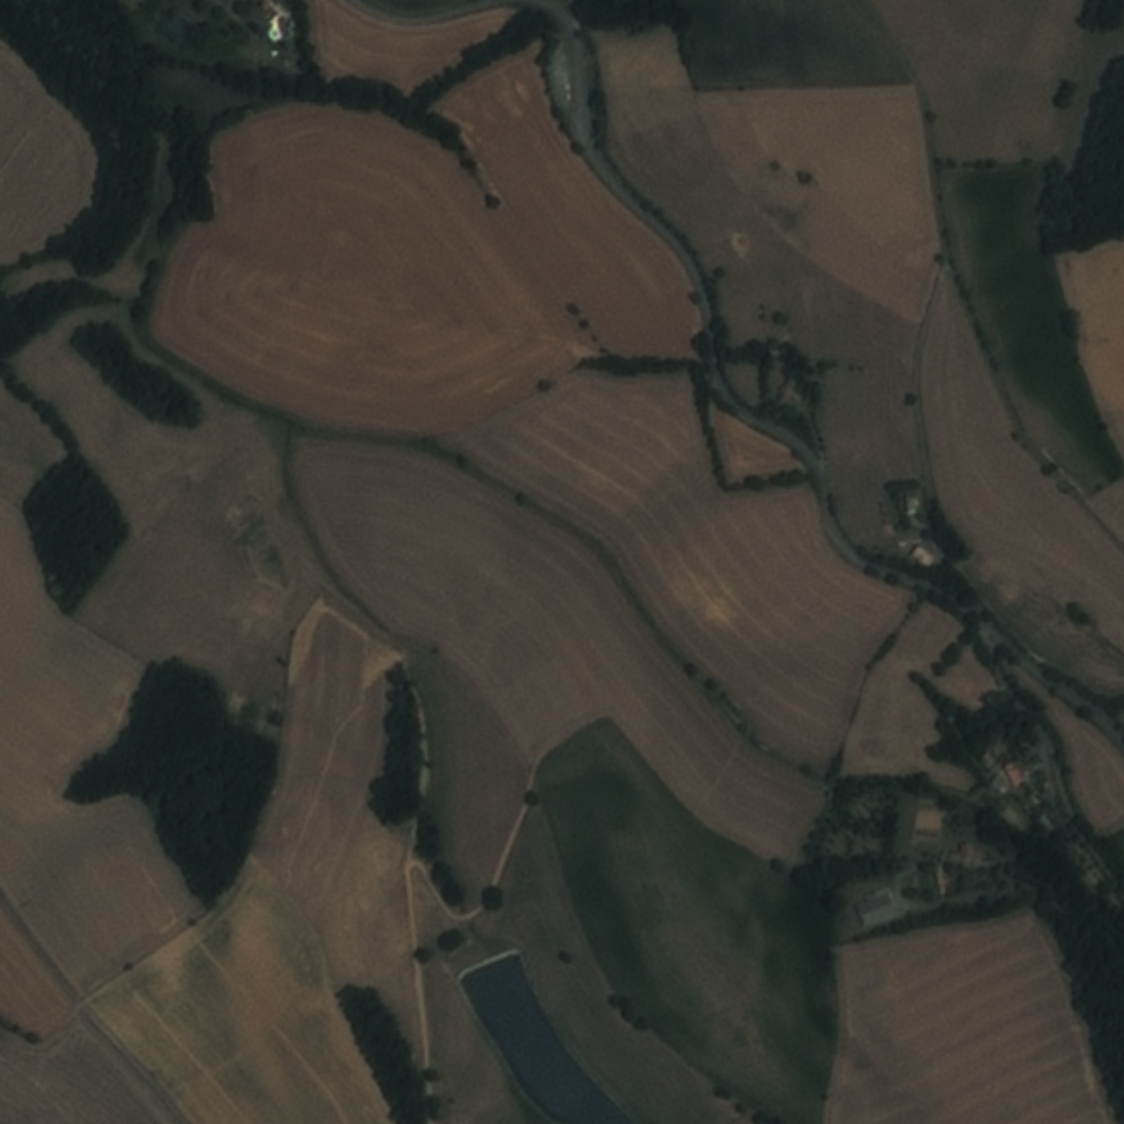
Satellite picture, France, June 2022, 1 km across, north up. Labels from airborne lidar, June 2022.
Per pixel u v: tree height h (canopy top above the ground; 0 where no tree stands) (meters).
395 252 0
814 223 0
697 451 0
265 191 0
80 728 0
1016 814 0
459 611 0
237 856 15
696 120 0
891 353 0
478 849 0
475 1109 0
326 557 0
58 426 14
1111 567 0
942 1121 0
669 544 0
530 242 0
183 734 20
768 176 0
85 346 8
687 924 0
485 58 20
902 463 0
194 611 0
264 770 17
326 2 0
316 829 0
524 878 0
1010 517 0
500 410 0
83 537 18
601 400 0
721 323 13
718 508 0
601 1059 0
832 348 0
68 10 24
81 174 0
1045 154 0
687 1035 0
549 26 12
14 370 8
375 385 0
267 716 0
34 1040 9
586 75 0
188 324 0
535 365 0
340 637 0
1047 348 0
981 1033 0
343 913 0
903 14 0
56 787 0
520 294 0
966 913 12
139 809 0
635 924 0
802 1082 0
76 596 6
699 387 14
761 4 0
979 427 0
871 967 0
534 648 0
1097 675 0
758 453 0
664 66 0
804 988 0
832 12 0
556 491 0
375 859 0
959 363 0
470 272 0
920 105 0
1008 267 0
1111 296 0
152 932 0
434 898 0
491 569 0
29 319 15
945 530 13
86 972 0
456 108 0
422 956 13
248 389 0
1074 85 16
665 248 0
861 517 0
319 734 0
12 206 0
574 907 0
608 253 0
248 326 0
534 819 0
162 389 15
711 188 0
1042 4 0
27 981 0
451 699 0
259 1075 0
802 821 0
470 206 0
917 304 0
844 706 0
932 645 0
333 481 0
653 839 0
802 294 0
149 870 0
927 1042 0
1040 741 9
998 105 0
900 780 8
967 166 7
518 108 0
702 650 0
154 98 29
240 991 0
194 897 11
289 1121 0
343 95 28
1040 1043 0
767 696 0
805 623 0
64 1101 0
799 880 19
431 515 0
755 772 0
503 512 0
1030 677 0
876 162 0
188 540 0
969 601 14
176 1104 0
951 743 9
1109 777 0
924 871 13
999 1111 0
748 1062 0
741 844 0
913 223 0
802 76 0
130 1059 0
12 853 0
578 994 0
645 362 8
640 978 0
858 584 0
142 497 0
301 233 0
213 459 0
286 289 0
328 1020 0
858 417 0
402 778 16
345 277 0
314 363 0
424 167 0
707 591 0
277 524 0
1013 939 0
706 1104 0
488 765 0
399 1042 17
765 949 0
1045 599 0
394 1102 15
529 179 0
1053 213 16
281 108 0
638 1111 0
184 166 20
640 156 0
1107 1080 12
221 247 0
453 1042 0
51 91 16
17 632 0
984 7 0
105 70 21
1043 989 0
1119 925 17
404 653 0
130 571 0
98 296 14
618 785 0
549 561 0
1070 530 0
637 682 0
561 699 0
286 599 0
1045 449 0
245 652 0
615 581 0
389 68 0
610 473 0
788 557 0
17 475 0
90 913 0
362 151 0
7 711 0
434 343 0
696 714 0
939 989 0
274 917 0
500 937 0
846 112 0
